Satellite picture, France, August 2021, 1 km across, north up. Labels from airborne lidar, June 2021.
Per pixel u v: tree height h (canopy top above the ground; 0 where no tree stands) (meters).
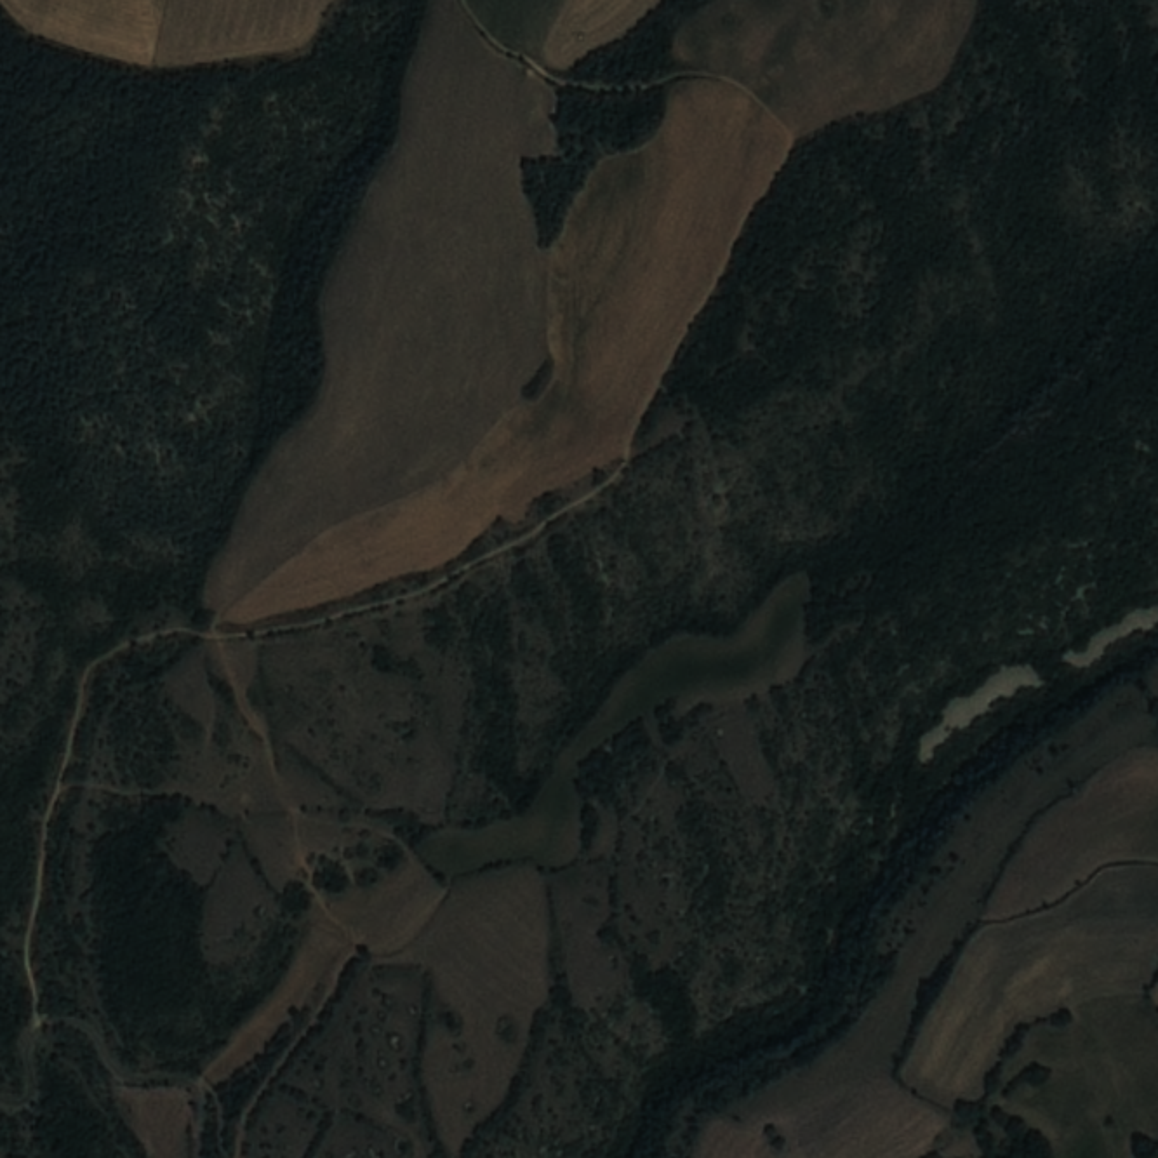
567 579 7
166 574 7
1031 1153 11
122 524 7
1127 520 9
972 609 8
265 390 7
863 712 6
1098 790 0
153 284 8
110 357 7
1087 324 12
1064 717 13
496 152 0
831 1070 0
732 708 0
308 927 0
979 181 7
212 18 0
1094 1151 0
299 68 8
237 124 8
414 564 0
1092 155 6
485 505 0
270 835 0
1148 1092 0
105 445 8
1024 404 10
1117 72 13
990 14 10
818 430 8
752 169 0
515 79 0
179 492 6
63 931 7
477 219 0
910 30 0
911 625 6
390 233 0
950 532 11
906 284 7
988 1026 0
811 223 7
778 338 6
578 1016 8
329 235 7
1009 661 9
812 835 6
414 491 0
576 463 0
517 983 0
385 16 9
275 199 9
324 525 0
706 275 0
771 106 0
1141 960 0
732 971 8
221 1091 7
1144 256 13
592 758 7
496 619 6
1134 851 0
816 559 9
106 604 6
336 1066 0
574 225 0
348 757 0
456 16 0
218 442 7
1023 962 0
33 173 9
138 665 7
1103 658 7
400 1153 6
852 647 7
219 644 0
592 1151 6
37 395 10
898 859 15
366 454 0
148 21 0
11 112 12
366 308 0
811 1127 0
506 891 0
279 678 0
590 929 0
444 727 0
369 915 0
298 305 6
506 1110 7
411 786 0
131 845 10
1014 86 8
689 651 0
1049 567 7
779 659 0
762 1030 14
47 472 6
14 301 13
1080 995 0
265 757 0
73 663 6
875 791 12
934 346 9
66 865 5
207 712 0
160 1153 0
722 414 6
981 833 0
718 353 7
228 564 0
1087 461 7
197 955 7
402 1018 0
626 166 0
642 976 7
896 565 9
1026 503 7
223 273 8
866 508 9
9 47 10
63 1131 6
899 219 8
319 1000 0
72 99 10
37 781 6
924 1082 0
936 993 11
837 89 0
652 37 12
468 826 9
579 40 0
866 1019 0
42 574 9
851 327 6
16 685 7
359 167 6
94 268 9
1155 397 8
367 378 0
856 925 11
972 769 15
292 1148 0
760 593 7
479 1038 0
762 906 7
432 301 0
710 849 6
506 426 0
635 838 0
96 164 8
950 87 7
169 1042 8
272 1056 6
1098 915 0
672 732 6
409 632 0
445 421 0
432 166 0
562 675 6
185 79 6
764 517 6
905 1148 0
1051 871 0
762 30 0
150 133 11
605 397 0
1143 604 13
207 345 6
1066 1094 0
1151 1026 0
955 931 0
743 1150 0
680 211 0
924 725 9
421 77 0
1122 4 9
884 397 6
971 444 9
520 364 0
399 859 7
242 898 0
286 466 0
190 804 9
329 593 0
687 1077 14
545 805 0
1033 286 7
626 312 0
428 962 0
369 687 0
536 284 0
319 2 0
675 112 0
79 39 0
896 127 8
